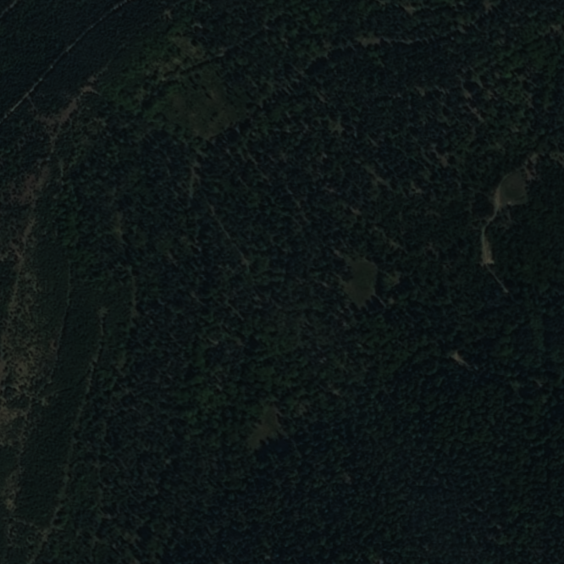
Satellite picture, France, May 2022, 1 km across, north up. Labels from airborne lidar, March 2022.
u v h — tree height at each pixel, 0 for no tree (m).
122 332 6
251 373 26
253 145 31
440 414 31
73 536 7
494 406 31
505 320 31
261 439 0
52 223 6
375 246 8
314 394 19
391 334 31
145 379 36
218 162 38
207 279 32
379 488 33
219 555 28
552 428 40
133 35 9
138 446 27
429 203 30
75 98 8
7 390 8
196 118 0
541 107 29
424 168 23
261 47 27
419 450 28
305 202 26
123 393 29
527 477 37
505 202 0
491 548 34
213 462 28
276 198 10
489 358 28
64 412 10
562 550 24
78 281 7
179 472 32
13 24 9
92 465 8
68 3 9
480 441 29
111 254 28
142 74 7
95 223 31
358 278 0
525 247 8
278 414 0
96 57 13
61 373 10
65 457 6
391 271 30
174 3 10
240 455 23
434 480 29
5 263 7
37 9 9
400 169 25
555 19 23
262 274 7
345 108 31
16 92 10
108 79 9
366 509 32
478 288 7
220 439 29
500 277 9
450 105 26
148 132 11
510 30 24
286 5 24
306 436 32
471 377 27
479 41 23
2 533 6
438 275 7
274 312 26
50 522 7
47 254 8
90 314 11
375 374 28
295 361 32
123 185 28
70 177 8
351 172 24
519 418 29
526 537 28
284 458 34
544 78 28
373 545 28
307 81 11
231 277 13
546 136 20
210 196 31
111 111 29
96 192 21
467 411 29
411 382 29
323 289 27
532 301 36
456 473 26
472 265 6
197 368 30
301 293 29
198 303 30
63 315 8
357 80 24
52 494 10
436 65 22
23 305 7
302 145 24
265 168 32
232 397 27
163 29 8
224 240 24
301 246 25
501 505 31
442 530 29
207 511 10
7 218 6
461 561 28
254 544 28
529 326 17
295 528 29
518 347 24
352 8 21
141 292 8
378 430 32
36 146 10
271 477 32
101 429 7
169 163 21
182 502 35
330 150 26
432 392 35
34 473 7
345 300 33
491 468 30
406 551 31
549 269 9
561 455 31
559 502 29
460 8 23
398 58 22
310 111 25
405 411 23
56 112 9
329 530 30
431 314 35
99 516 22
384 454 22
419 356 31
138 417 29
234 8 13
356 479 33
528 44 27
